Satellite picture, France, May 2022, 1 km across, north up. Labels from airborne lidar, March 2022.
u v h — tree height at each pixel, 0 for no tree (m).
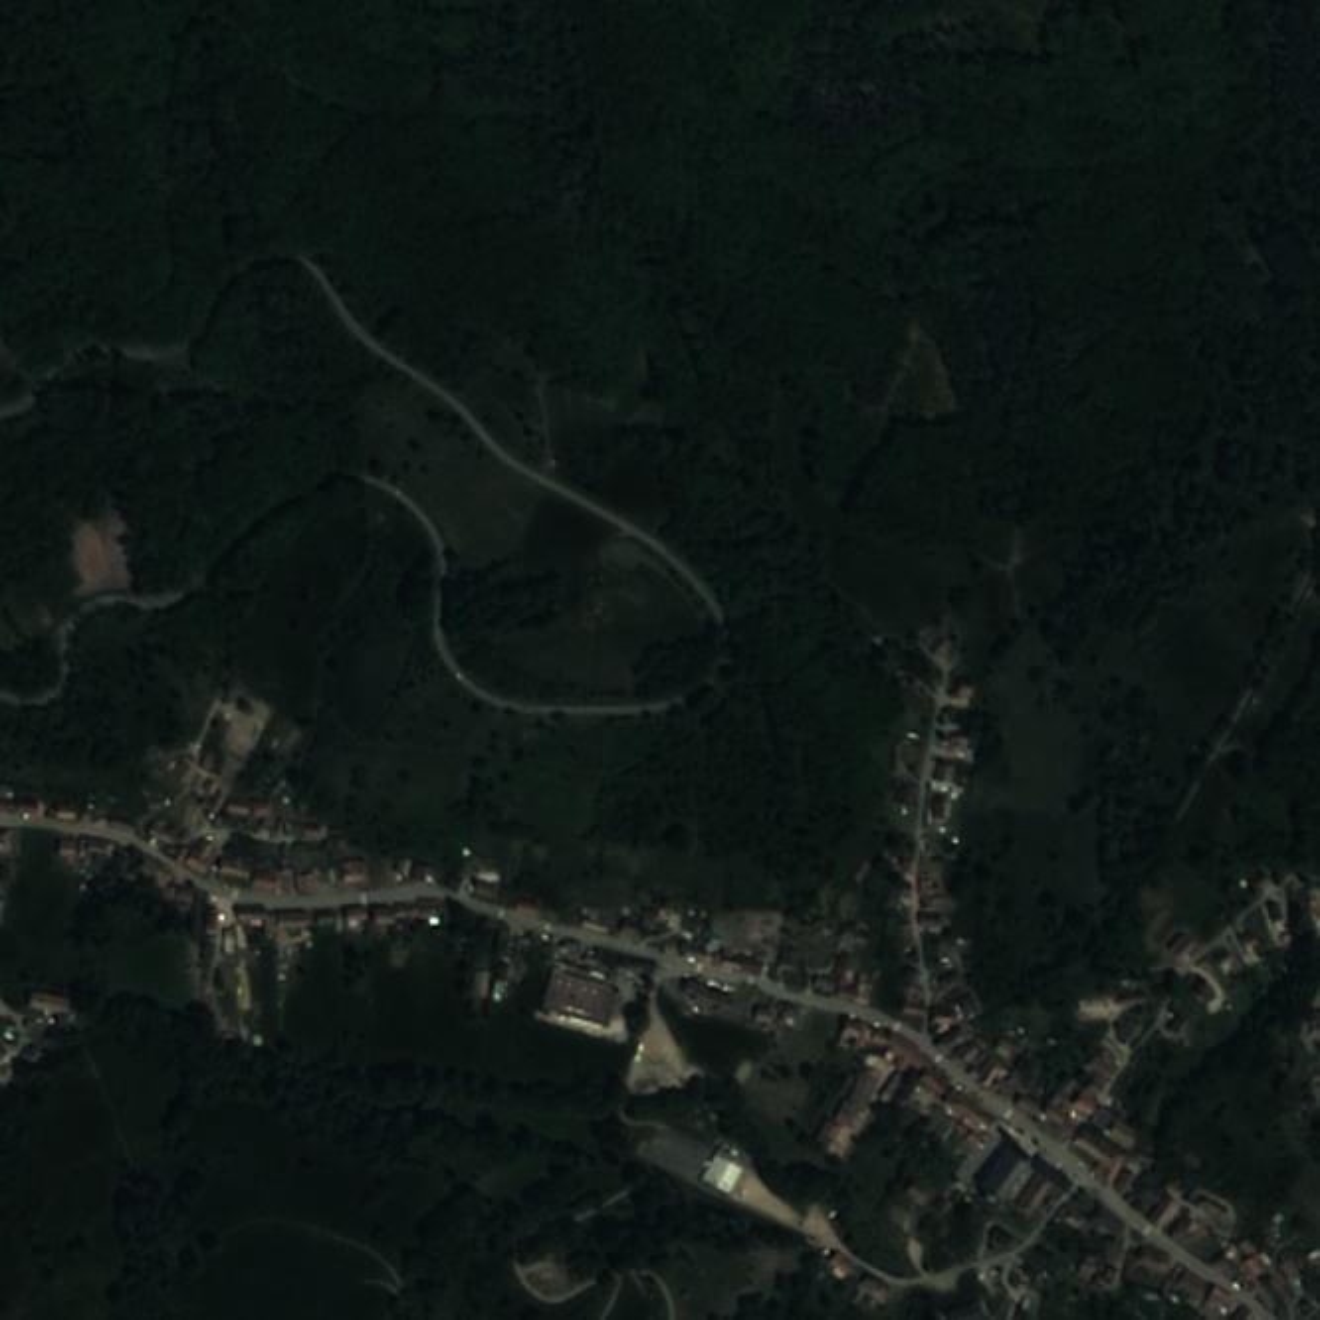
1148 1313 0
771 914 0
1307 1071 0
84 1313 0
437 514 0
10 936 0
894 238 22
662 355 24
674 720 16
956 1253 0
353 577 0
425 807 0
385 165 20
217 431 7
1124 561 29
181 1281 0
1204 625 0
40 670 14
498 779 0
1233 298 24
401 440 0
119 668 0
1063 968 15
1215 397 19
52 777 0
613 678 0
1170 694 0
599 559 0
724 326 26
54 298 26
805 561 23
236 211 23
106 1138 0
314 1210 0
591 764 0
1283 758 22
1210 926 0
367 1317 0
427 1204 0
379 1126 24
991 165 24
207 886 0
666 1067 0
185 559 11
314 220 19
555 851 0
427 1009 0
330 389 11
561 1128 0
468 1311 0
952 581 0
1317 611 0
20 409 0
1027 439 22
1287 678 0
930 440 19
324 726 0
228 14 17
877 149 20
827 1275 0
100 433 26
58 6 15
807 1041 0
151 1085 0
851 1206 17
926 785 0
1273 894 0
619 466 0
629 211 22
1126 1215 0
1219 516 18
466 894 0
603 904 0
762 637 23
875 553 0
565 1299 0
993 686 0
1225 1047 7
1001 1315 0
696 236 24
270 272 27
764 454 24
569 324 18
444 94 15
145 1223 24
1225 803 0
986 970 7
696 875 0
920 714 0
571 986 0
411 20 16
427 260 21
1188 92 19
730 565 26
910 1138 6
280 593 0
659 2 16
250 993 0
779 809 8
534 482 0
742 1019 0
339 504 16
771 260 19
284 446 22
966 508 20
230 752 0
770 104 10
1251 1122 0
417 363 14
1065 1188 12
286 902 0
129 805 0
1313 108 27
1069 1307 0
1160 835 17
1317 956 17
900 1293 0
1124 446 21
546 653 0
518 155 19
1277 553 0
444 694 0
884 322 20
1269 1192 0
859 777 7
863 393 14
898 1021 0
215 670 0
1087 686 0
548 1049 0
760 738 7
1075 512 17
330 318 21
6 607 0
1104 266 20
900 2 28
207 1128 0
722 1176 0
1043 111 19
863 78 17
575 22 24
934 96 22
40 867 0
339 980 0
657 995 0
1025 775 0
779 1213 0
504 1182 0
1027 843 0
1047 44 19
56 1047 0
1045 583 0
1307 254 26
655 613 0
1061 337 20
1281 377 14
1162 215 28
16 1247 0
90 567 0
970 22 25
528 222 17
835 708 16
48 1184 0
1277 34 24
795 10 20
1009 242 27
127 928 0
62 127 18
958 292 30
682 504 17
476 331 18
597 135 19
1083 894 0
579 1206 13
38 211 19
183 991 0
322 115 16
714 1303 0
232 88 26
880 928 0
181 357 0
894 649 14
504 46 30
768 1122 0
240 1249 0
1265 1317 0
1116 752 8
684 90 17
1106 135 22
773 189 19
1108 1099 0
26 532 22
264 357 23
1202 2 27
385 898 0
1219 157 25
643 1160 0
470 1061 0
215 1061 23
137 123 24
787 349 27
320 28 20
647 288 17
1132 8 21
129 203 17
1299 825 19
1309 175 22
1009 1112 0
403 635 0
